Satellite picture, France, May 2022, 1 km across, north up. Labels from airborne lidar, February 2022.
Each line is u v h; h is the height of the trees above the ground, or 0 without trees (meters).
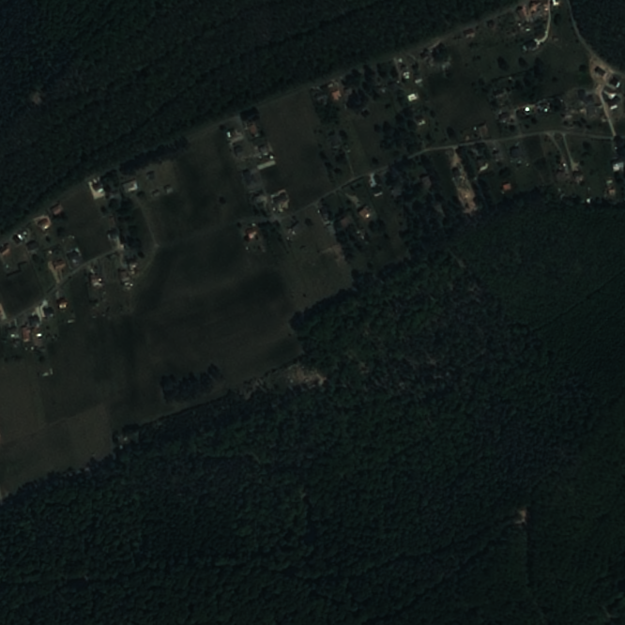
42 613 29
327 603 37
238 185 0
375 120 0
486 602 24
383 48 23
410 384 13
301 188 0
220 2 21
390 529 26
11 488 0
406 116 18
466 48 0
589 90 0
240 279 0
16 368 0
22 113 16
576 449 18
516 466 25
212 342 0
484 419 31
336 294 0
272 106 0
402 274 27
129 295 0
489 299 26
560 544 30
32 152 27
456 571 18
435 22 21
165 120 23
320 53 15
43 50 23
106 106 25
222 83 28
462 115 0
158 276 0
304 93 0
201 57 20
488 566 21
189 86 20
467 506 25
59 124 21
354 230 8
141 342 0
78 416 0
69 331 0
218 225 0
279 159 0
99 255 0
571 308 0
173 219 0
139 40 21
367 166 0
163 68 21
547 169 0
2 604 24
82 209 0
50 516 29
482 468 22
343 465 34
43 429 0
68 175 24
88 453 0
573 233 17
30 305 0
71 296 0
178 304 0
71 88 18
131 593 30
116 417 0
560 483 20
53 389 0
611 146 0
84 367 0
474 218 22
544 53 0
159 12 13
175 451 23
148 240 0
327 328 28
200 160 0
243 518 32
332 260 0
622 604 22
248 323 0
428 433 31
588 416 24
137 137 19
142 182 0
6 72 24
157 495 28
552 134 0
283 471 25
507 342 24
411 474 29
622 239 13
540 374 28
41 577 29
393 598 28
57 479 23
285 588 33
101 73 20
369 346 29
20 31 25
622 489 27
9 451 0
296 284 0
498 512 25
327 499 34
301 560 31
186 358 0
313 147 0
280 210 0
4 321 0
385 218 0
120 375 0
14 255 0
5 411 0
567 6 0
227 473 35
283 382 0
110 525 34
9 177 30
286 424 12
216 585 35
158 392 0
